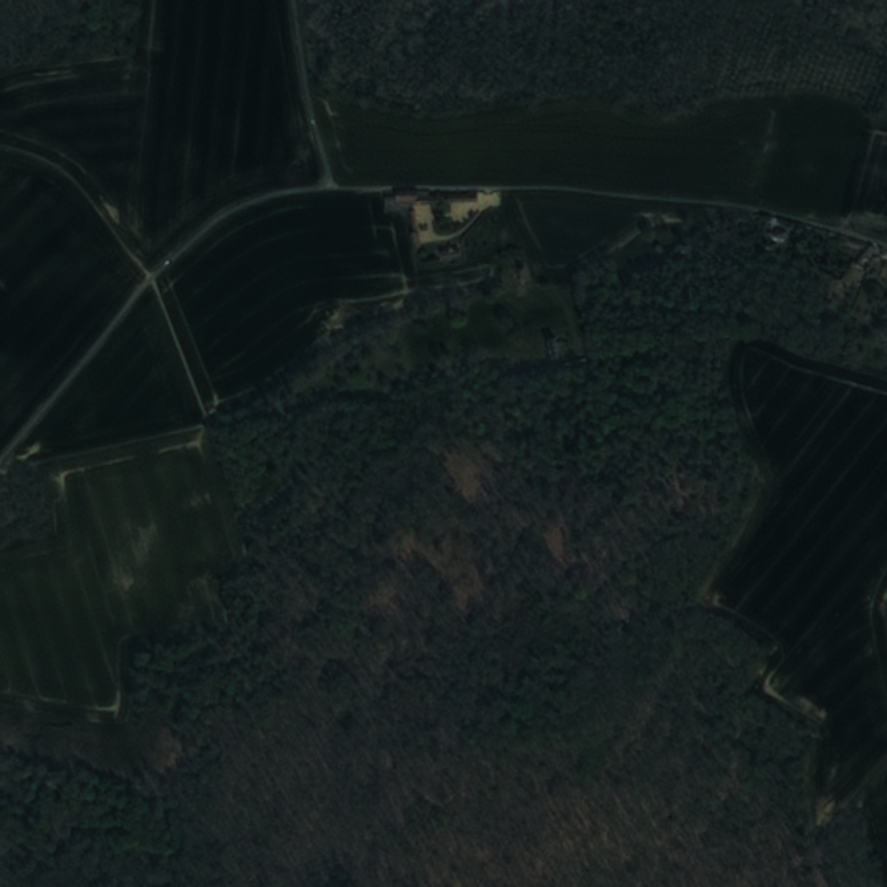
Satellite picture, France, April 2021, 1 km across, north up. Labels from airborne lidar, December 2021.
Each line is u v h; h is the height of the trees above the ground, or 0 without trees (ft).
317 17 95
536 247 0
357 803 73
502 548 75
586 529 22
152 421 0
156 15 0
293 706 78
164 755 0
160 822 93
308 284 0
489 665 73
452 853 62
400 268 0
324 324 0
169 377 0
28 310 0
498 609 44
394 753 79
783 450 0
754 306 83
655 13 62
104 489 0
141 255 0
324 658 83
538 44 69
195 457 0
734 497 73
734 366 0
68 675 0
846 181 0
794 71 82
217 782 91
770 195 0
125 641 0
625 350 61
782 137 0
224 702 51
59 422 0
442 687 79
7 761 98
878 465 0
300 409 36
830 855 89
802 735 36
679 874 74
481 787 44
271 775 79
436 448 58
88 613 0
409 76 105
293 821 76
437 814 58
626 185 0
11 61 66
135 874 110
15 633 0
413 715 61
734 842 82
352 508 60
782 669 0
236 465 84
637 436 88
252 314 0
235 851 85
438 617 76
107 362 0
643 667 76
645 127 0
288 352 0
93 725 0
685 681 77
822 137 0
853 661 0
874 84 73
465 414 47
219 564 0
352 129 0
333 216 0
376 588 80
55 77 0
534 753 79
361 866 55
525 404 104
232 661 18
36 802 37
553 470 93
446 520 84
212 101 0
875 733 0
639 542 69
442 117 34
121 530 0
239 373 0
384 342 77
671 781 82
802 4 25
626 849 83
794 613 0
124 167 0
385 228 0
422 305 40
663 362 75
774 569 0
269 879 85
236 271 0
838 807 0
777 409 0
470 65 87
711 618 61
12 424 0
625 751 70
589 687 80
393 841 61
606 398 89
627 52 67
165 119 0
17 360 0
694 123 0
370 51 116
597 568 79
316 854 82
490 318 0
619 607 73
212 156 0
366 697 82
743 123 0
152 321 0
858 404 0
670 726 79
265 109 0
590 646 44
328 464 101
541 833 74
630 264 0
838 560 0
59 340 0
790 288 69
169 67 0
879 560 0
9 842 84
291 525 86
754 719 78
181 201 0
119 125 0
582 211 0
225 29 0
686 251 85
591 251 0
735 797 75
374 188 0
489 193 0
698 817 72
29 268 0
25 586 0
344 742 81
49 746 0
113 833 65
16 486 49
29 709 0
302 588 99
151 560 0
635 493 77
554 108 0
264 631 75
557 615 29
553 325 0
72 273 0
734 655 79
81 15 65
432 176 0
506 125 0
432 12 88
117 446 0
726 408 73
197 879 97
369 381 63
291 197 0
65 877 90
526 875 90
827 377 0
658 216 0
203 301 0
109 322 0
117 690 0
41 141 0
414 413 56
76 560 0
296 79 0
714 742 81
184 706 57
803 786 70
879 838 0
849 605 0
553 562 87
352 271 0
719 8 66
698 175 0
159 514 0
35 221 0
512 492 40
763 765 80
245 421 78
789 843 56
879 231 0
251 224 0
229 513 0
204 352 0
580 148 0
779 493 0
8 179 0
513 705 55
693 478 86
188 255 0
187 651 59
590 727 92
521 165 0
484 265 0
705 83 25
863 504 0
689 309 94
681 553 84
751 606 0
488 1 83
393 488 73
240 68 0
